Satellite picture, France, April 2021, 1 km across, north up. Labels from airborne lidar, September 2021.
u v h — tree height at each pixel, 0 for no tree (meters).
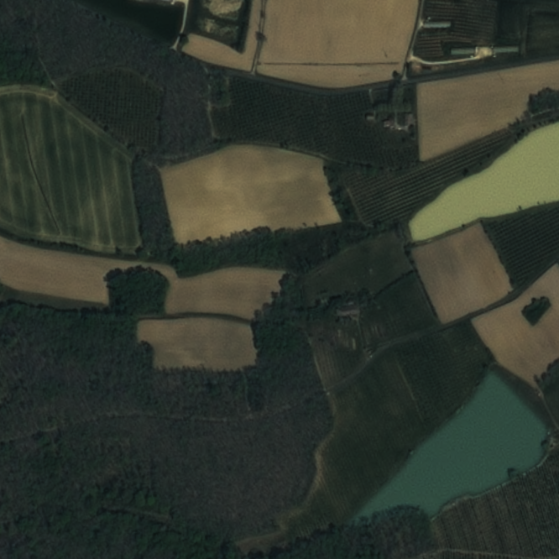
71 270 0
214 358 0
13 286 0
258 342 17
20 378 22
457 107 0
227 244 22
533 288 0
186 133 18
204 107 16
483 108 0
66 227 0
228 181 0
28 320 20
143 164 16
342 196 20
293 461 19
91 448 15
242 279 0
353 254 0
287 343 23
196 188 0
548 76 0
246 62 0
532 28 0
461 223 0
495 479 0
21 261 0
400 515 22
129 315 22
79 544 22
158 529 23
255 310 0
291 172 0
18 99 0
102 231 0
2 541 16
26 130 0
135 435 16
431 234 0
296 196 0
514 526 6
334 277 0
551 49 0
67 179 0
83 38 19
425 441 0
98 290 0
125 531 24
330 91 0
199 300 0
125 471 20
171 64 19
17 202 0
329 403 17
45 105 0
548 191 0
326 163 0
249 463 17
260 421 17
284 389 18
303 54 0
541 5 0
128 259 0
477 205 0
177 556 23
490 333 0
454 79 0
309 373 19
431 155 0
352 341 0
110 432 16
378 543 23
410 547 17
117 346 24
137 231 0
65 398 17
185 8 0
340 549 20
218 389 17
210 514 20
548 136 0
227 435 15
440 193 0
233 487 17
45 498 21
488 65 0
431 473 0
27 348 14
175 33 0
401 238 25
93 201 0
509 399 0
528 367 0
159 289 25
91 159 0
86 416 15
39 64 21
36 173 0
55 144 0
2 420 16
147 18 0
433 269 0
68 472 22
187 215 0
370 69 0
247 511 13
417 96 0
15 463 17
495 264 0
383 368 0
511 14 0
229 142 11
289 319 14
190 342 0
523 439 0
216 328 0
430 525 17
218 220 0
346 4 0
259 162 0
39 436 16
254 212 0
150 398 17
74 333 21
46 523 16
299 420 18
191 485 19
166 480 22
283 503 16
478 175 0
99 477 18
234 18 0
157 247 18
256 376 17
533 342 0
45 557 22
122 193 0
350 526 12
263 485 13
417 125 0
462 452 0
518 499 6
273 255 28
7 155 0
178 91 19
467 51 0
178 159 10
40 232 0
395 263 0
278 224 0
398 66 0
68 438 20
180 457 16
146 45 16
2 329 9
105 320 23
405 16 0
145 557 18
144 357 14
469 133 0
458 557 7
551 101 13
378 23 0
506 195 0
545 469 6
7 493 16
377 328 0
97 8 0
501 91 0
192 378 16
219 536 18
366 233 17
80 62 17
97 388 18
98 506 22
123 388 17
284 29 0
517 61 0
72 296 0
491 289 0
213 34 0
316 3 0
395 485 0
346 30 0
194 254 20
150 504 22
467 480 0
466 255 0
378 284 0
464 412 0
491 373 0
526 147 0
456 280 0
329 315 16
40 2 16
